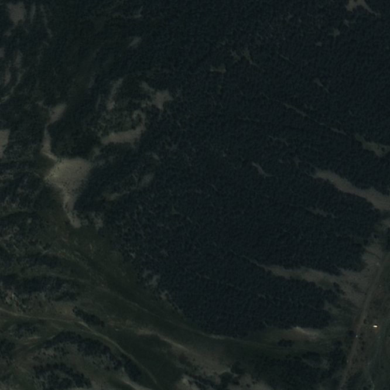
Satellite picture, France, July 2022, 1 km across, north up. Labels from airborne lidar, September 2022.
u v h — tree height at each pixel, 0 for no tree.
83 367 0
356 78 28
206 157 22
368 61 29
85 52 6
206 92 7
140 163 10
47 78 6
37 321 0
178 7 8
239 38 21
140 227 16
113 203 19
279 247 21
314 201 29
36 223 7
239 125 27
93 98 8
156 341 0
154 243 11
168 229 17
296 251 27
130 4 11
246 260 37
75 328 0
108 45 7
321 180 27
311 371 13
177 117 25
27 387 0
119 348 0
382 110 29
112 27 11
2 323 0
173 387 0
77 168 0
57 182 0
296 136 14
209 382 9
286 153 29
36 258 6
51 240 0
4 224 7
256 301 26
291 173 36
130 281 0
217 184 25
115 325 0
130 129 6
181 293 13
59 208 0
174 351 0
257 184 27
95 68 0
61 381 16
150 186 9
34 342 0
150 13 15
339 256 23
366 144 0
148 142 8
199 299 19
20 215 6
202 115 10
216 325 26
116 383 0
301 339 0
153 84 8
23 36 6
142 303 0
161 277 11
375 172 30
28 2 7
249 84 29
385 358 0
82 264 0
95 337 0
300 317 27
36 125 6
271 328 0
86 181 0
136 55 9
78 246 0
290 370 6
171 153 7
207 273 20
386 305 0
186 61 24
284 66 23
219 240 26
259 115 27
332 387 0
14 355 0
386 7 31
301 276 0
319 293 19
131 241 14
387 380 0
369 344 0
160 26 12
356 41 32
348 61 29
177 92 8
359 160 28
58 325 0
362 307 0
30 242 7
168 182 19
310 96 24
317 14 9
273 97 28
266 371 9
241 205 29
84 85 0
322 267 27
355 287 0
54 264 6
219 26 6
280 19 32
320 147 32
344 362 10
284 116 27
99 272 0
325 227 27
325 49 24
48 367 12
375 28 35
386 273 0
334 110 34
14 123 7
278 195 29
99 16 11
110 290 0
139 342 0
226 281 11
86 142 7
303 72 16
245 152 26
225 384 11
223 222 20
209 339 0
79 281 0
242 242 25
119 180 11
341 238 24
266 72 17
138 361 0
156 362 0
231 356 0
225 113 27
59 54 6
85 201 8
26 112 7
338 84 25
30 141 6
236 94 30
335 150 28
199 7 24
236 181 24
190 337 0
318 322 20
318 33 18
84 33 9
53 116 0
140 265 7
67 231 0
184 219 21
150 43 8
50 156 0
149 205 17
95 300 0
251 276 33
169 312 0
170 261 27
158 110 22
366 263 0
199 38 11
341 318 0
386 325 0
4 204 10
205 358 0
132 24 10
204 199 21
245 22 21
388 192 10
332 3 18
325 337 0
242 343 0
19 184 11
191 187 21
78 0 7
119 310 0
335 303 0
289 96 12
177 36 16
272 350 0
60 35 7
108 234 0
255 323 26
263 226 28
